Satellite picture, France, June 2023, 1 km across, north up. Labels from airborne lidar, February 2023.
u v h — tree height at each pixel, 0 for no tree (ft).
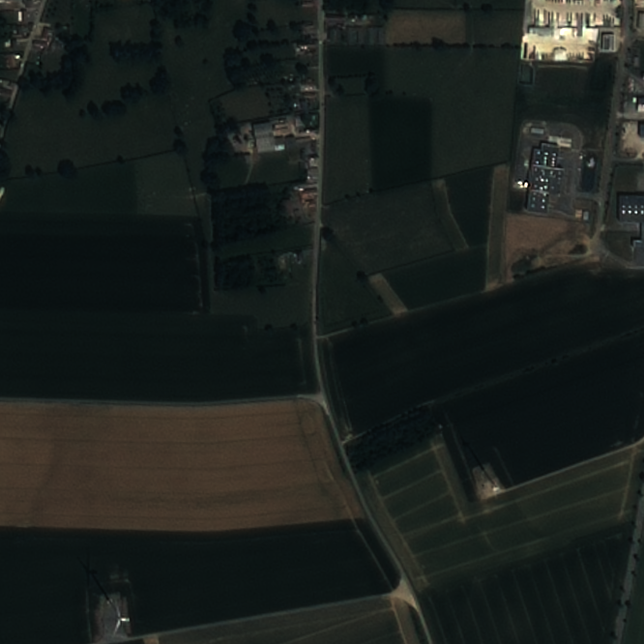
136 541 0
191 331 0
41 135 0
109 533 0
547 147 0
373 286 0
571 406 0
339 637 0
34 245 0
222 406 0
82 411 0
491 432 0
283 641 0
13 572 0
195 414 0
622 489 0
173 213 0
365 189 0
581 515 0
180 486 0
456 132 0
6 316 0
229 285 31
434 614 0
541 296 0
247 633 0
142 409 0
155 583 0
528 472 0
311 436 0
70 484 0
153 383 0
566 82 0
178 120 0
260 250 0
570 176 0
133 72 0
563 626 0
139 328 0
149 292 0
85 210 0
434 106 0
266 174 0
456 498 0
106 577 0
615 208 0
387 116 0
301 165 0
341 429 0
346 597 0
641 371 0
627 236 0
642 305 0
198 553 0
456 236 0
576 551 0
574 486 0
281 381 0
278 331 0
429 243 0
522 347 0
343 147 0
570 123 0
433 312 0
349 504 0
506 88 0
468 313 0
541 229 0
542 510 0
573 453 0
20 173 0
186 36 0
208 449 0
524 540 0
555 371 0
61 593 0
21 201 0
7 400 0
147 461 0
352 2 36
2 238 0
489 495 0
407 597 0
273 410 0
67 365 0
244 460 0
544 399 0
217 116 18
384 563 0
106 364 0
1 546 0
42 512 0
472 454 0
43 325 0
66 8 0
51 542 0
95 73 0
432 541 0
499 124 0
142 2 21
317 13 0
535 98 0
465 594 0
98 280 0
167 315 0
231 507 0
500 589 0
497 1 0
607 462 0
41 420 0
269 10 0
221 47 0
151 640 0
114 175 0
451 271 0
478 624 0
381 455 30
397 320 0
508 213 0
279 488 0
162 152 0
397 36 0
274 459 0
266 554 0
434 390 0
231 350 0
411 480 0
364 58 0
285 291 0
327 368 0
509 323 0
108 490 0
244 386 0
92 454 0
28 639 0
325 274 0
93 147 0
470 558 0
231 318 0
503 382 0
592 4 0
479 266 0
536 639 0
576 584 0
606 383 0
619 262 0
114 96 0
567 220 0
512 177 0
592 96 0
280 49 0
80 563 0
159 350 0
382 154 0
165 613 0
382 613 0
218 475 0
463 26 0
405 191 0
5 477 0
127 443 0
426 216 0
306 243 0
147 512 0
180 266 0
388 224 0
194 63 0
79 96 0
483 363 0
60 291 0
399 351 0
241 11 0
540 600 0
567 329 0
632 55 0
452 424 0
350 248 0
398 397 0
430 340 0
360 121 0
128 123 0
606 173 0
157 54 91
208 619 0
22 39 0
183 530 0
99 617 0
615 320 0
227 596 0
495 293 0
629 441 0
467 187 0
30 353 0
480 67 0
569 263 0
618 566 0
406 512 0
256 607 0
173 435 0
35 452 0
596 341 0
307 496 0
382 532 0
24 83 43
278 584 0
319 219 0
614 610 0
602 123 0
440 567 0
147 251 0
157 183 0
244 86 28
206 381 0
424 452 0
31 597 0
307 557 0
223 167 0
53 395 0
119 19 0
